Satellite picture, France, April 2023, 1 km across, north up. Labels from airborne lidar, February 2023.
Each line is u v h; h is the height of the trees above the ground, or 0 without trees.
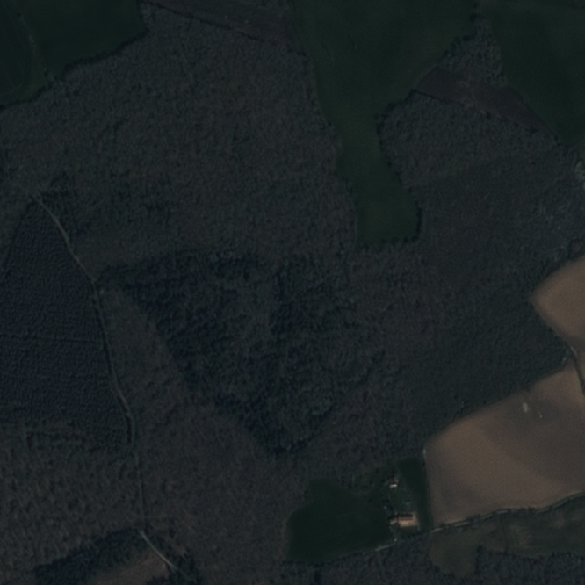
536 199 11
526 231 6
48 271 19
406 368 12
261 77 23
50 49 0
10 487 6
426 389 12
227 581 13
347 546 0
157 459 22
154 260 20
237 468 20
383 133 17
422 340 16
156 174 20
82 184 16
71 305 18
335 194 22
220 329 21
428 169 19
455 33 0
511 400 0
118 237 21
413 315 17
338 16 0
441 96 0
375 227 0
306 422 21
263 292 16
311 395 12
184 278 21
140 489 16
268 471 22
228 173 23
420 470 0
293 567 13
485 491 0
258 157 19
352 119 0
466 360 12
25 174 19
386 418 17
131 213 22
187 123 25
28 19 0
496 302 14
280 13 10
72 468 23
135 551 18
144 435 17
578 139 0
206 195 21
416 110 21
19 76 0
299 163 20
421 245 14
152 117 20
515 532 0
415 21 0
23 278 16
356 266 19
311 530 0
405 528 0
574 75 0
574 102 0
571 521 0
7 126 21
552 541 0
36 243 21
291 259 16
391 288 14
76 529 22
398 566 13
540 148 22
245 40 16
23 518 24
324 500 0
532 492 0
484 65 17
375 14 0
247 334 20
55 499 19
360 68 0
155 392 14
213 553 15
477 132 22
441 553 0
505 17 0
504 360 12
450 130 21
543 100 0
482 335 11
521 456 0
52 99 18
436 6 0
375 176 0
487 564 17
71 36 0
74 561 21
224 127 21
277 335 18
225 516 20
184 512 15
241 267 22
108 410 17
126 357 18
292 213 23
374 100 0
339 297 17
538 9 0
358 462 22
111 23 0
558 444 0
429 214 13
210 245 23
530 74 0
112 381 10
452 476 0
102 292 19
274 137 25
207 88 23
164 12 22
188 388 18
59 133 22
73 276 19
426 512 0
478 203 13
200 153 20
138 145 21
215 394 20
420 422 14
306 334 24
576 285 0
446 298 13
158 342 20
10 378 16
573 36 0
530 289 16
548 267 8
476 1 0
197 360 22
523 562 7
